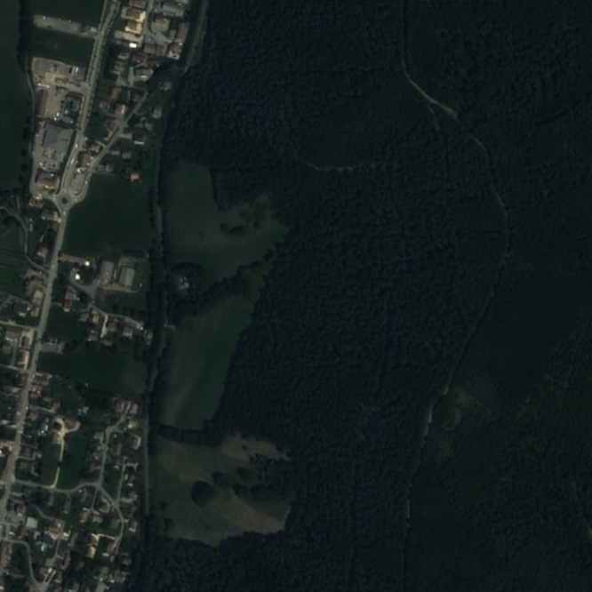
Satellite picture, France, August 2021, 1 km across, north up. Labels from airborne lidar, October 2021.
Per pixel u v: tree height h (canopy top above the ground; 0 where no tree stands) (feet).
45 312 0
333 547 59
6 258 0
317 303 100
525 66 107
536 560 73
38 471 33
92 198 0
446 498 47
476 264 105
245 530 0
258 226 36
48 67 0
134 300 0
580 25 76
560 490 38
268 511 0
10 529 0
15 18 0
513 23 109
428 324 108
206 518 0
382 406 100
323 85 98
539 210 84
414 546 39
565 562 96
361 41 89
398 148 99
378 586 94
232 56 92
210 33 52
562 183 95
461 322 34
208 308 88
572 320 32
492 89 101
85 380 0
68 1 0
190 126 57
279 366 106
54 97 0
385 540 101
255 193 60
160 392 57
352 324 106
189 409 0
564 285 48
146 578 76
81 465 0
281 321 95
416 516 48
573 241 89
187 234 0
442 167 99
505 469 45
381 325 107
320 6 96
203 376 0
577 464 66
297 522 59
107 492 0
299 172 63
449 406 23
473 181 100
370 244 85
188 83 80
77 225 0
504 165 80
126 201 0
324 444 100
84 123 0
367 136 63
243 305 0
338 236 110
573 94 64
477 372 21
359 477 97
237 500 0
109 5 0
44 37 0
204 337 0
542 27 85
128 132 0
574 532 81
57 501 0
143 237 0
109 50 18
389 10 94
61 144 0
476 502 64
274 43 97
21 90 0
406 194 87
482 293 90
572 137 92
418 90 58
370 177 101
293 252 70
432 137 91
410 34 69
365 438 0
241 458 0
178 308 58
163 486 0
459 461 57
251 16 118
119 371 0
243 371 82
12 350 0
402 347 87
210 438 59
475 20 99
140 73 0
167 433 73
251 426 73
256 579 63
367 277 87
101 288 0
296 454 53
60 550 0
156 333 41
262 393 83
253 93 88
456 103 92
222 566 83
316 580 90
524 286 50
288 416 88
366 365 102
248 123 90
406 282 106
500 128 72
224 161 55
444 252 93
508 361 49
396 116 80
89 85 0
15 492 0
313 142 72
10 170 0
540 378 22
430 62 100
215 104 76
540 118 75
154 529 59
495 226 44
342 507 24
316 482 80
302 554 103
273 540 63
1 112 0
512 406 52
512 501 41
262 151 56
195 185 0
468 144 70
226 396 36
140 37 0
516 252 51
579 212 116
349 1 92
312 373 92
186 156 51
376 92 64
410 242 108
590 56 81
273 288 68
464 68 107
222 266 0
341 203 105
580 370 52
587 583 71
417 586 38
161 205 45
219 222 0
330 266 100
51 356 0
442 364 83
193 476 0
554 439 45
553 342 42
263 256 0
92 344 42
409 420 94
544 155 109
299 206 48
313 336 97
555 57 107
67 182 0
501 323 55
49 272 0
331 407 97
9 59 0
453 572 46
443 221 103
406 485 84
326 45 93
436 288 105
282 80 120
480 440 45
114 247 0
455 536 41
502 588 34
